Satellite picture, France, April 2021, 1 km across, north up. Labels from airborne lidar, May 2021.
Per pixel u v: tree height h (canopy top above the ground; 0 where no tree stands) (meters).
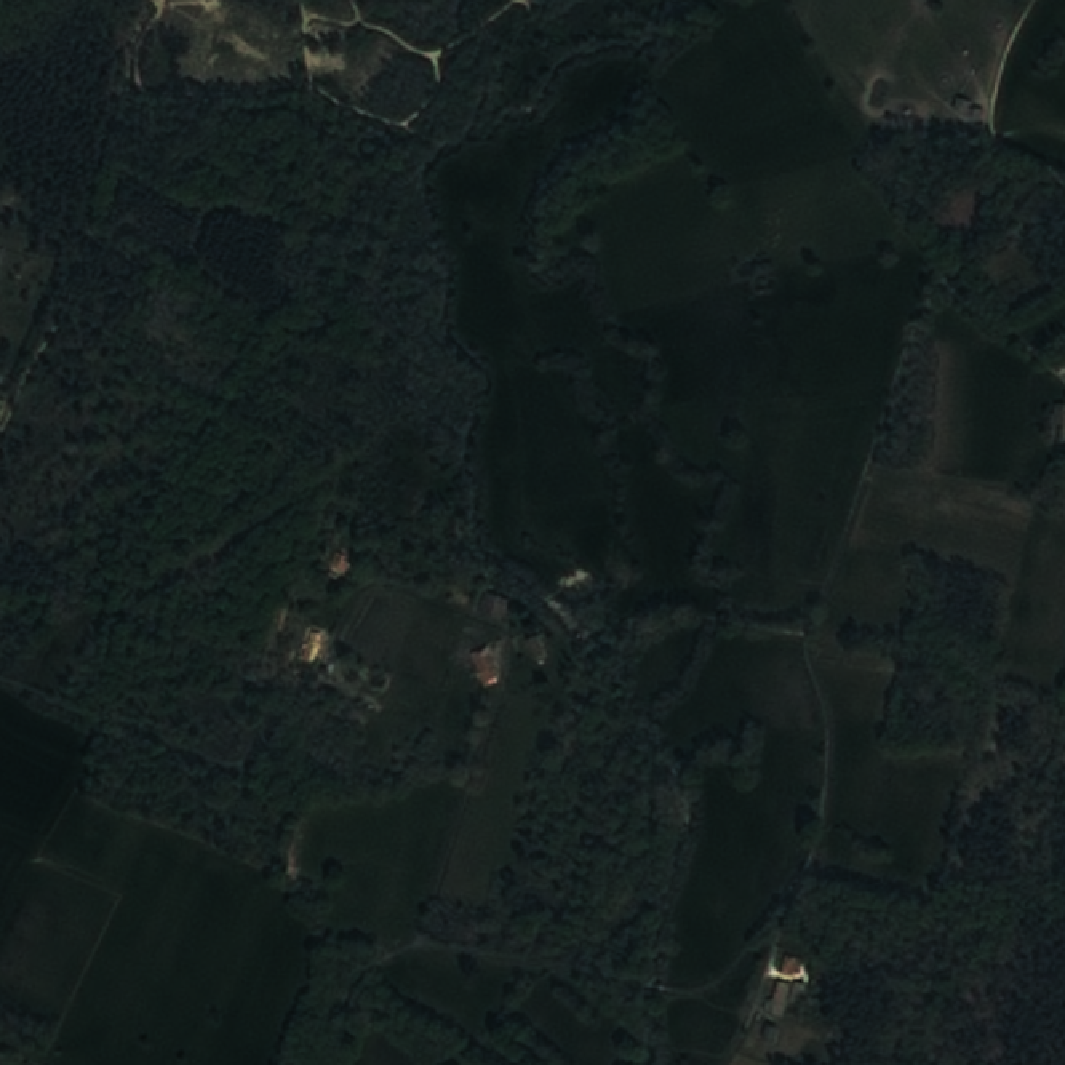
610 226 0
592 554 0
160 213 17
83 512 16
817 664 0
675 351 0
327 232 23
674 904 20
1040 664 0
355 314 31
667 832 25
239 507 13
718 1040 0
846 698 0
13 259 0
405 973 0
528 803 10
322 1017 21
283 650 6
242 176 17
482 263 0
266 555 18
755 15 0
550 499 0
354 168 5
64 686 14
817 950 11
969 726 14
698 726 0
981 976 15
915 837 0
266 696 18
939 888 17
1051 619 0
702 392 0
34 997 0
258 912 0
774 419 0
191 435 20
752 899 0
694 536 0
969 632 16
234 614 19
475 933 16
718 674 0
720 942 0
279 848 8
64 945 0
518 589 12
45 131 20
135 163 20
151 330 11
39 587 19
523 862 19
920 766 0
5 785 0
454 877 0
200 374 16
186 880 0
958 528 0
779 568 0
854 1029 9
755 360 0
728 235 0
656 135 25
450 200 0
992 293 15
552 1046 20
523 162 0
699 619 20
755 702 0
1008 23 0
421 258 27
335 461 25
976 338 0
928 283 13
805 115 0
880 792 0
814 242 0
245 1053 0
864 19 0
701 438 0
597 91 0
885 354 0
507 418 0
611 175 20
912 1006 19
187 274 19
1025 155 18
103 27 16
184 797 11
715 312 0
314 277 22
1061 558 0
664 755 17
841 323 0
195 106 25
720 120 0
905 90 0
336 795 25
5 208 0
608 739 14
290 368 15
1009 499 0
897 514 0
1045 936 23
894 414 12
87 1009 0
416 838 0
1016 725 11
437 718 0
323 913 13
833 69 0
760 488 0
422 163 18
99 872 0
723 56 0
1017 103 0
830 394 0
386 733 0
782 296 0
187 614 19
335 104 15
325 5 21
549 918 21
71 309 15
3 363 16
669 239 0
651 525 0
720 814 0
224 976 0
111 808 7
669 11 14
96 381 9
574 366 14
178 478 22
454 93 15
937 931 9
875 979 22
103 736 17
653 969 21
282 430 18
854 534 0
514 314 0
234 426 18
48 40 14
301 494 14
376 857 0
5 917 0
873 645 15
